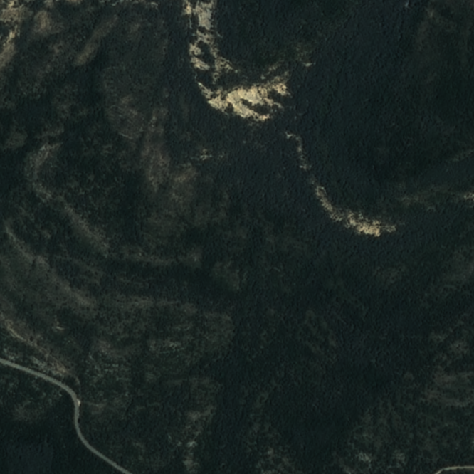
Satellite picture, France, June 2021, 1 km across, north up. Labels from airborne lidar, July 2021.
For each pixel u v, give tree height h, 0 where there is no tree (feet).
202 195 24
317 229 39
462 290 22
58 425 20
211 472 27
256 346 24
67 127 30
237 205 24
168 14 26
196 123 24
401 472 20
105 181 19
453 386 0
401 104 24
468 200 21
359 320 27
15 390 24
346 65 30
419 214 28
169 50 21
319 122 22
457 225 19
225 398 33
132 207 19
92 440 27
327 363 23
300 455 28
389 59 36
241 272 29
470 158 32
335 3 39
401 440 21
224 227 20
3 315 0
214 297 28
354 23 48
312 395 28
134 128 0
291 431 40
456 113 27
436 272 19
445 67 17
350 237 41
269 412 18
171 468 19
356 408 23
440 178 20
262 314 20
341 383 31
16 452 51
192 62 20
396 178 26
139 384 19
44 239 23
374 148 20
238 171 35
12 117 25
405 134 26
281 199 43
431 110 29
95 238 0
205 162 23
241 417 23
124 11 25
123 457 33
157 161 0
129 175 27
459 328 21
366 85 32
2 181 24
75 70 30
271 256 24
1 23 25
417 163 23
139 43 22
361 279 18
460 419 19
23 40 27
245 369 31
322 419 27
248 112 0
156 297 21
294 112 21
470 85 33
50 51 19
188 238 17
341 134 19
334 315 29
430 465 23
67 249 20
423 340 20
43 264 0
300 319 29
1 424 26
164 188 24
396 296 25
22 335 0
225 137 34
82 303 0
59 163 23
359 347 34
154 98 25
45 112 26
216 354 23
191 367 18
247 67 23
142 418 28
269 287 25
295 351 22
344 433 22
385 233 24
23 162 22
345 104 31
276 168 33
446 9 20
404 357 27
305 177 25
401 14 42
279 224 30
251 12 27
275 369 27
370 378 44
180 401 30
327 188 24
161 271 19
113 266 24
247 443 19
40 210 19
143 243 26
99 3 28
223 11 19
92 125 22
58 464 32
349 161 23
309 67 31
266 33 32
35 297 0
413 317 18
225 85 18
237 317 36
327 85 26
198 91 24
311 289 27
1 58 0
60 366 0
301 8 41
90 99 38
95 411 0
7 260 0
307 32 42
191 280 19
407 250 32
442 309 21
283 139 22
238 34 28
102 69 26
